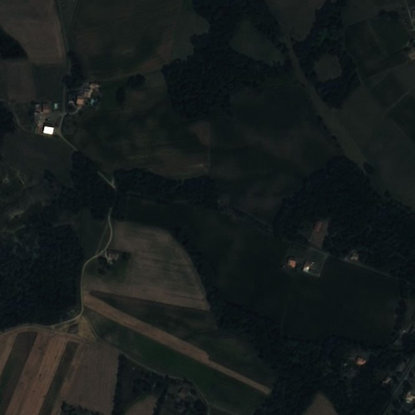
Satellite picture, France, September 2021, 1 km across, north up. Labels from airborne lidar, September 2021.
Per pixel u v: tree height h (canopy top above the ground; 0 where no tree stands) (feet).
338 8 52
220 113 0
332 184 79
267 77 64
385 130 0
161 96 0
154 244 0
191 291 0
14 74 0
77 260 51
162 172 0
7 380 0
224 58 74
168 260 0
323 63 0
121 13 0
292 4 0
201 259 73
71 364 0
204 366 0
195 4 63
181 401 33
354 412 77
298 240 64
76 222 0
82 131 0
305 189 49
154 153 0
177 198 56
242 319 66
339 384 67
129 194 21
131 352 0
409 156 0
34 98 0
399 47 0
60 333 0
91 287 0
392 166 0
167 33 0
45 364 0
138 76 34
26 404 0
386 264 69
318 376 78
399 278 26
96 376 0
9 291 43
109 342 0
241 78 62
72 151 0
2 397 0
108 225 0
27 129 0
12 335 0
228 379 0
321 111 0
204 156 0
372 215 73
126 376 0
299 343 46
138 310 0
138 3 0
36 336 0
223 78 52
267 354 77
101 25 0
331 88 82
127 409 0
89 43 0
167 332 0
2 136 57
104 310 0
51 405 0
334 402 88
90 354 0
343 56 68
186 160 0
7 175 0
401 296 36
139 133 0
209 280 45
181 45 0
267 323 66
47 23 0
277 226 62
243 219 38
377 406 68
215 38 67
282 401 53
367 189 77
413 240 73
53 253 65
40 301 46
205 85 78
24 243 0
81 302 0
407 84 0
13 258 77
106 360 0
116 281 0
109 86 0
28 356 0
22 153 0
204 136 0
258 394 0
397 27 0
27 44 0
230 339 0
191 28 0
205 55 73
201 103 106
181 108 55
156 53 0
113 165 0
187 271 0
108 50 0
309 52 85
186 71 88
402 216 73
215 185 23
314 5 0
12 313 47
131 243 0
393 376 0
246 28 0
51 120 0
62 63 0
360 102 0
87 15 0
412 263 42
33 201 0
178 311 0
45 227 62
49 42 0
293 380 74
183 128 0
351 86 62
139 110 0
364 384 68
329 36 104
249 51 0
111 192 50
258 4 70
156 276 0
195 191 75
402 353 22
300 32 0
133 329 0
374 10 0
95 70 0
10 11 0
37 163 0
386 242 61
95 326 0
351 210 69
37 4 0
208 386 0
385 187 0
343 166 73
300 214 56
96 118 0
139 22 0
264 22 32
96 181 72
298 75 0
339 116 0
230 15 75
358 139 0
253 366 0
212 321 0
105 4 0
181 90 68
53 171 0
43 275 52
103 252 0
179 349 0
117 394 45
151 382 25
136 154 0
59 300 61
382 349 37
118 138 0
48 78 0
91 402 0
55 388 0
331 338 20
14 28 0
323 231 0
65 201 64
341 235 37
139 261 0
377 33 0
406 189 0
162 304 0
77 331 0
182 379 0
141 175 62
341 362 79
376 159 0
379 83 0
